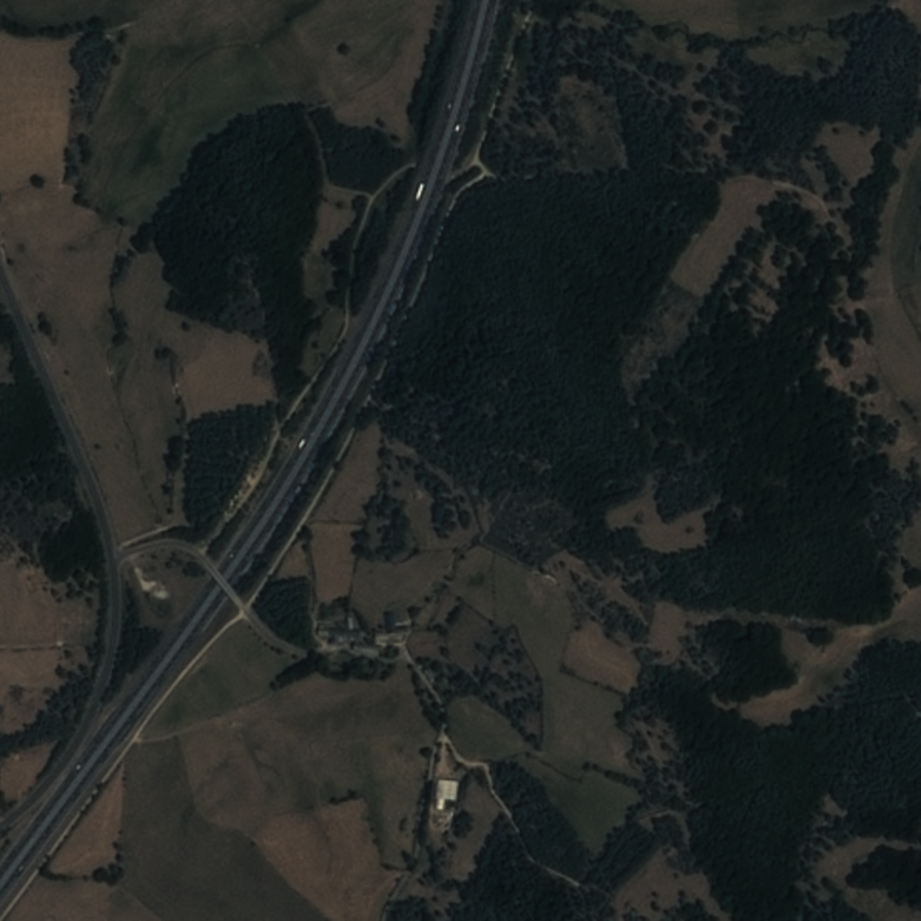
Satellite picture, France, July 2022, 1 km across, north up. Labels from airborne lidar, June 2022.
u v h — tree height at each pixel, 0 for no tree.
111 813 0
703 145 20
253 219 17
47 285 0
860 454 12
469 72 0
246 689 0
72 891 0
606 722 0
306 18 0
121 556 0
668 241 21
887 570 16
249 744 0
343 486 0
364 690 0
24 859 0
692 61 0
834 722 16
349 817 0
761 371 21
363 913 0
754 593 17
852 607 22
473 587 0
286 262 22
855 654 0
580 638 0
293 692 0
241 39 0
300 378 10
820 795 16
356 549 10
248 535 0
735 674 13
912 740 17
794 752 17
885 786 17
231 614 0
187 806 0
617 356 9
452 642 0
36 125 0
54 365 0
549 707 0
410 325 10
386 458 15
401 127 0
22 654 0
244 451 12
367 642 8
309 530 12
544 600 0
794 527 20
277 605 16
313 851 0
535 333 12
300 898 0
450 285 11
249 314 9
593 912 12
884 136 11
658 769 12
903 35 18
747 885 17
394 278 0
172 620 0
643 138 23
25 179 0
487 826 0
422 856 0
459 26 9
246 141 19
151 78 0
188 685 0
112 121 0
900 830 21
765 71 15
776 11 0
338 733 0
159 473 0
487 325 13
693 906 8
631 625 12
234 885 0
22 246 0
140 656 11
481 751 0
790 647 0
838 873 0
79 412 0
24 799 0
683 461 10
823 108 18
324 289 0
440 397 12
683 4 0
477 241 16
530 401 20
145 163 0
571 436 13
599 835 0
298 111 19
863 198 15
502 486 13
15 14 0
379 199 0
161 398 0
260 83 0
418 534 0
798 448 22
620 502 17
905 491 13
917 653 19
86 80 14
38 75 0
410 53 0
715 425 16
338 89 0
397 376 9
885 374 0
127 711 0
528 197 18
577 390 18
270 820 0
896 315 0
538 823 16
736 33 0
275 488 0
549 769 0
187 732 0
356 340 0
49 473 16
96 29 14
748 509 15
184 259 22
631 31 13
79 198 14
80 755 0
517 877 22
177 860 0
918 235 0
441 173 0
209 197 18
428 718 10
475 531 0
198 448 15
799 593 13
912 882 20
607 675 0
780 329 17
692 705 25
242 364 0
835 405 17
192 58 0
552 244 15
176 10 0
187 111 0
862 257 8
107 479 0
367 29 0
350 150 10
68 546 16
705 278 0
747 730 23
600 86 12
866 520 17
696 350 13
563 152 9
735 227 0
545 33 13
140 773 0
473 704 0
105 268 0
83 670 14
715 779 15
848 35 15
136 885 0
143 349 0
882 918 0
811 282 21
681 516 8
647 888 0
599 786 0
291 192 19
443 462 13
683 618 0
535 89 18
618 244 17
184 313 8
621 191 24
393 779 0
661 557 12
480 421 18
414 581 0
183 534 11
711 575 12
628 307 21
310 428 0
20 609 0
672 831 15
